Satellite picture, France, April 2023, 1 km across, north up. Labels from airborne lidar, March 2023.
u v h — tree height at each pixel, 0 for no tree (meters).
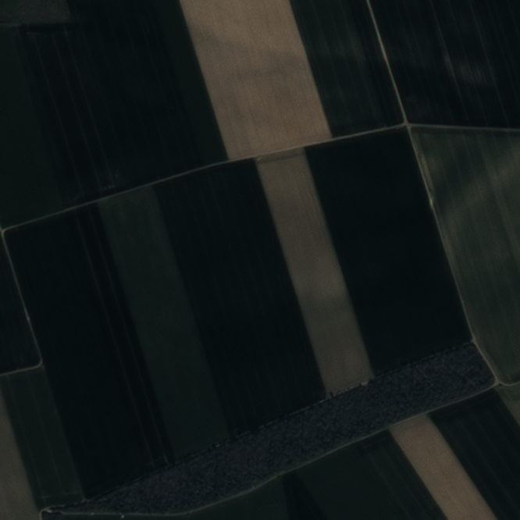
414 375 14
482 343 0
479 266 0
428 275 0
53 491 0
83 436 0
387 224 0
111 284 0
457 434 0
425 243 0
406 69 0
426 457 0
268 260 0
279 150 0
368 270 0
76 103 0
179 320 0
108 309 0
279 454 14
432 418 0
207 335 0
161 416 0
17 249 0
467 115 0
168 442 0
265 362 0
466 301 0
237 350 0
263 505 0
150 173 0
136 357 0
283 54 0
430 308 0
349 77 0
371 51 0
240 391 0
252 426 0
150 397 0
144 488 11
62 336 0
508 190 0
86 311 0
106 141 0
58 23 0
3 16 0
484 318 0
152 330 0
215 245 0
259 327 0
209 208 0
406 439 0
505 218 0
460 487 0
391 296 0
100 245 0
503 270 0
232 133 0
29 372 0
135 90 0
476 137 0
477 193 0
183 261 0
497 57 0
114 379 0
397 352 0
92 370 0
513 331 0
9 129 0
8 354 0
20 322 0
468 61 0
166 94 0
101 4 0
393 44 0
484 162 0
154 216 0
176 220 0
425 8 0
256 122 0
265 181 0
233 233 0
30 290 0
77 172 0
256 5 0
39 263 0
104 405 0
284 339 0
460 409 0
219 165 0
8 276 0
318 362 0
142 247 0
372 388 12
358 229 0
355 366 0
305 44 0
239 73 0
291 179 0
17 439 0
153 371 0
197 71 0
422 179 0
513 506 0
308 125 0
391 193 0
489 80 0
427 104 0
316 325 0
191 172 0
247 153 0
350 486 0
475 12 0
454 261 0
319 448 8
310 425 14
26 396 0
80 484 0
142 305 0
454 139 0
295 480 0
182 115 0
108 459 0
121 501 10
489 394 0
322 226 0
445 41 0
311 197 0
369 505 0
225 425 0
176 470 13
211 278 0
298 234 0
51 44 0
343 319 0
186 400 0
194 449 0
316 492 0
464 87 0
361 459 0
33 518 0
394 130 0
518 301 0
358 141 0
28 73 0
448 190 0
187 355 0
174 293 0
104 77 0
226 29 0
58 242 0
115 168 0
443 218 0
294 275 0
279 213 0
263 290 0
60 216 0
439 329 0
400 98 0
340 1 0
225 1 0
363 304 0
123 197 0
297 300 0
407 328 0
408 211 0
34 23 0
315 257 0
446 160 0
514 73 0
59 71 0
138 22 0
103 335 0
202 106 0
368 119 0
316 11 0
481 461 0
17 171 0
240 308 0
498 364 0
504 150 0
